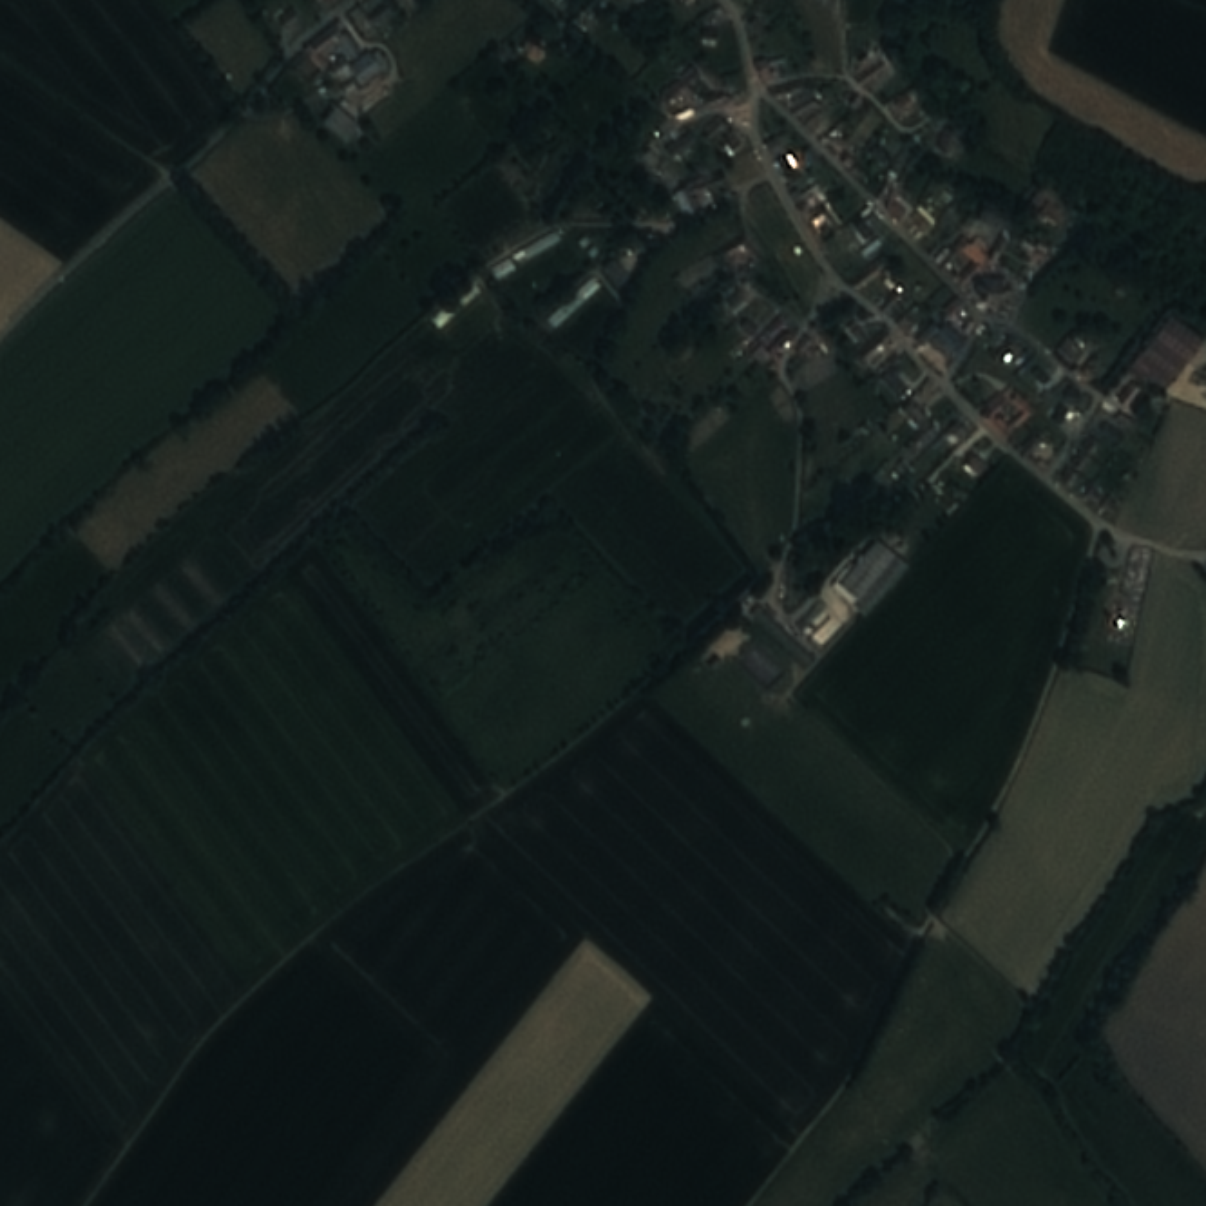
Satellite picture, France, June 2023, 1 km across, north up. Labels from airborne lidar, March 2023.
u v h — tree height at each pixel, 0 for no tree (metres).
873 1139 0
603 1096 0
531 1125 0
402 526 0
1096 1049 19
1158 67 0
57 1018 0
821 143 0
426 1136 0
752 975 0
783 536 0
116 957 0
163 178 0
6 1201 0
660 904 0
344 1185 0
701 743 0
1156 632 0
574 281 7
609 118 0
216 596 0
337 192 0
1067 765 0
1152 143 0
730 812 0
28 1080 0
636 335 0
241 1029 0
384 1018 0
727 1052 0
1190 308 14
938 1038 0
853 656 0
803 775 0
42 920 0
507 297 8
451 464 0
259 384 0
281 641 0
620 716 0
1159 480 0
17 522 0
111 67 0
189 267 0
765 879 0
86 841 0
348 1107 0
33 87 0
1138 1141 0
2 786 0
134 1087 0
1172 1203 0
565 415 0
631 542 0
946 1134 0
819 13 0
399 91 0
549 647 0
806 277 0
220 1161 0
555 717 0
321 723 0
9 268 0
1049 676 0
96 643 0
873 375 6
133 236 0
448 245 0
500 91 17
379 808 0
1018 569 0
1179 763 0
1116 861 0
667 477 0
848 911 0
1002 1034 0
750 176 0
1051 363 0
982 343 0
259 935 0
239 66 0
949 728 0
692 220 16
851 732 0
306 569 0
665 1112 0
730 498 0
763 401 0
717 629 12
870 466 0
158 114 0
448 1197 0
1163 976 0
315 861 0
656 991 0
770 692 0
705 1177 0
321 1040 0
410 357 0
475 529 0
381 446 0
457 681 0
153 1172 0
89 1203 0
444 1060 0
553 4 0
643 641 0
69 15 0
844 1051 0
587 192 7
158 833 0
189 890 0
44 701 0
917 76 17
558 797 0
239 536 0
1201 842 0
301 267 0
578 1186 0
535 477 0
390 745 0
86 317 0
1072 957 7
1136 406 11
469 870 0
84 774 0
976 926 0
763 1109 0
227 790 0
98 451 0
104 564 0
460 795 0
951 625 0
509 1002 0
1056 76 0
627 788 0
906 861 0
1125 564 0
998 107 0
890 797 0
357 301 0
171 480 0
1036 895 0
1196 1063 0
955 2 17
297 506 0
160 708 0
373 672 0
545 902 0
